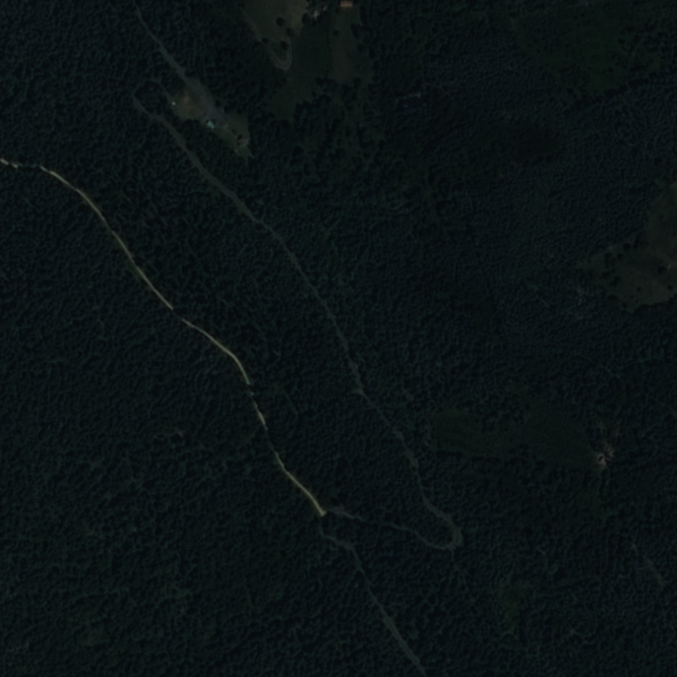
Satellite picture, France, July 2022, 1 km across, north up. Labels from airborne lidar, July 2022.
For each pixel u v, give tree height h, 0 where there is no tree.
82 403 24
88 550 18
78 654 22
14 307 25
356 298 23
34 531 20
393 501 24
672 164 22
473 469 18
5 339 21
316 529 23
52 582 21
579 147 29
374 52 18
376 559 19
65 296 19
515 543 21
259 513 16
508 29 19
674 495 22
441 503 16
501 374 18
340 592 22
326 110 25
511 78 22
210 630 7
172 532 16
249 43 14
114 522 24
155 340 25
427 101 21
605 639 17
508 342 23
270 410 21
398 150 19
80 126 22
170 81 24
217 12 15
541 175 28
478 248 27
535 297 26
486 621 8
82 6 25
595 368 26
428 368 24
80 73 22
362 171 12
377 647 21
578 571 20
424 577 16
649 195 25
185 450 19
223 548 19
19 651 13
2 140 28
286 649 27
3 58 30
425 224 20
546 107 29
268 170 24
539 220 29
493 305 17
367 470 27
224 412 23
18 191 18
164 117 13
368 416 20
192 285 15
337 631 30
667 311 20
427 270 14
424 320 14
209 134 11
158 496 18
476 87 23
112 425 26
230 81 16
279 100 0
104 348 23
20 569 11
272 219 24
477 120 28
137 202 14
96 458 21
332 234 9
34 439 15
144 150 16
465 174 17
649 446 26
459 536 0
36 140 24
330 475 21
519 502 16
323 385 24
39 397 23
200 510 21
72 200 19
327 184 21
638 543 20
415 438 18
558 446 6
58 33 22
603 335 19
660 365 23
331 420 23
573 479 11
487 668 15
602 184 29
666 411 16
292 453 24
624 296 0
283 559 20
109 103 24
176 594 20
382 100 15
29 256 23
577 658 18
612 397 25
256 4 0
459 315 17
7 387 21
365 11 17
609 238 22
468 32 19
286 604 22
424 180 9
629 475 24
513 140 27
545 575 14
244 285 18
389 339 29
